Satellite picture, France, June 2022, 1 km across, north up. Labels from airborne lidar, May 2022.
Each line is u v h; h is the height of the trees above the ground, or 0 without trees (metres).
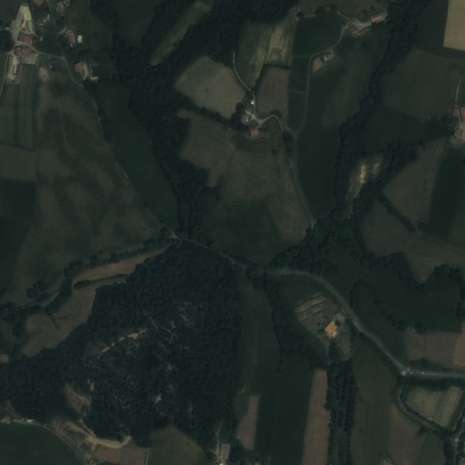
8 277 0
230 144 0
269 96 0
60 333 0
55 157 0
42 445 0
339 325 12
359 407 0
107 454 0
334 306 0
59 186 0
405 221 7
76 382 30
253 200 0
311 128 0
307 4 0
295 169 0
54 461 0
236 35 16
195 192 23
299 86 0
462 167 0
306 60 0
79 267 25
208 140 0
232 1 24
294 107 0
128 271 0
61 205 0
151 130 17
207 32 22
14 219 0
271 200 0
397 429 0
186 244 18
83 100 0
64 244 0
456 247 0
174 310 22
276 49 0
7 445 0
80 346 28
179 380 28
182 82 0
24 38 0
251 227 0
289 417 0
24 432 0
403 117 0
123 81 19
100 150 0
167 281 23
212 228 0
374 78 15
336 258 0
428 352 0
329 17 0
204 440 11
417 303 0
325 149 0
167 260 22
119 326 21
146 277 30
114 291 29
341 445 8
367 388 0
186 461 0
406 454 0
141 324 22
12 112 0
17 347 11
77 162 0
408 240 0
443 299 0
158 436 0
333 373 12
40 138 0
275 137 0
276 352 0
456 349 0
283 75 0
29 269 0
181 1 11
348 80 0
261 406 0
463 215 0
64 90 0
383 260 11
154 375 24
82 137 0
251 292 0
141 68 22
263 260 0
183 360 24
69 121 0
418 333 7
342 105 0
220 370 23
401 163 16
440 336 0
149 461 0
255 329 0
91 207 0
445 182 0
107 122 14
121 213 0
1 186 0
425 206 0
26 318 15
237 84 0
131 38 0
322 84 0
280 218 0
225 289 21
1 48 18
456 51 0
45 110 0
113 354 13
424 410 0
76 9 0
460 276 8
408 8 22
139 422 26
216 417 22
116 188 0
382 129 0
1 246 0
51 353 18
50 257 0
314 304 0
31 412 15
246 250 0
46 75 0
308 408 0
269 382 0
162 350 18
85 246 0
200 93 0
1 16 0
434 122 0
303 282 0
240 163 0
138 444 6
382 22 8
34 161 0
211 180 0
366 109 20
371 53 0
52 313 13
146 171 0
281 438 0
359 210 23
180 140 15
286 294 0
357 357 0
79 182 0
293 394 0
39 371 16
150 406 27
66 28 0
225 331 25
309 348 8
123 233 0
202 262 20
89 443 0
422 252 0
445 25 0
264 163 0
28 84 0
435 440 0
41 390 12
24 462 0
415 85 0
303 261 10
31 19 0
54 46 0
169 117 17
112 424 25
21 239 0
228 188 0
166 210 0
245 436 0
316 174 0
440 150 0
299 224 0
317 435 0
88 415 27
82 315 0
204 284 28
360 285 6
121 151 0
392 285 0
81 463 0
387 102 0
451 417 0
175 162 16
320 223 15
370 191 13
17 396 12
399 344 0
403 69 0
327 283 0
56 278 0
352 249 17
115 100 0
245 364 0
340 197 23
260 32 0
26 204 0
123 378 16
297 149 0
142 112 15
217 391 24
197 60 0
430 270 0
